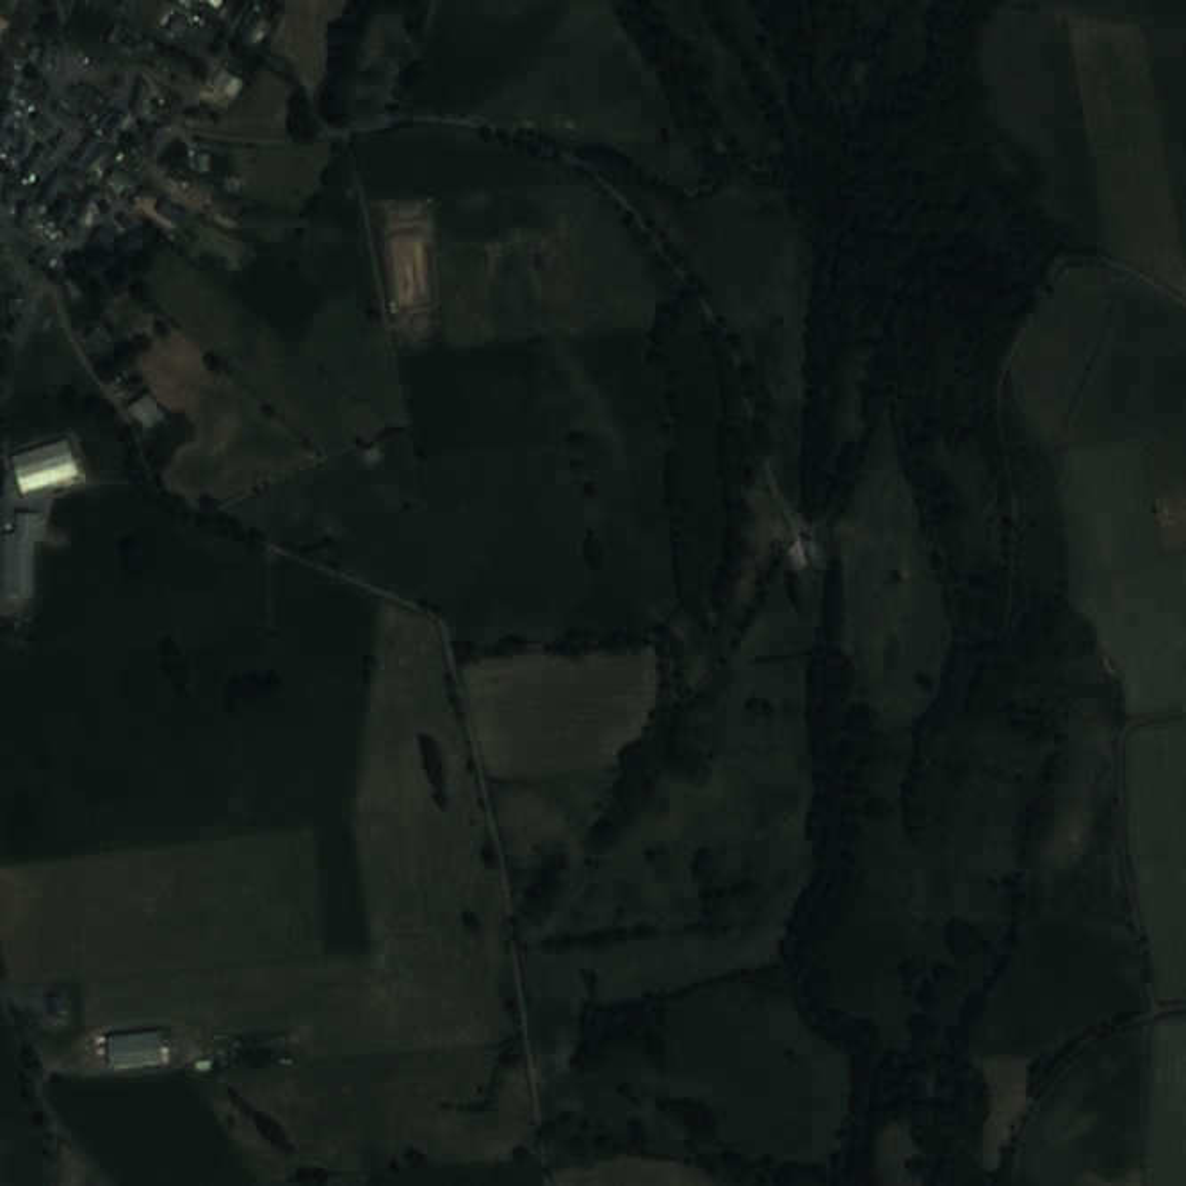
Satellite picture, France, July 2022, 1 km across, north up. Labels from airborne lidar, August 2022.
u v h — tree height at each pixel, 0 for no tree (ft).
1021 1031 0
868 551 0
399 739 0
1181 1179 0
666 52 57
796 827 0
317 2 0
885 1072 55
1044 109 0
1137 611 0
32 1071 60
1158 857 0
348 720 0
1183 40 0
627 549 0
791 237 0
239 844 0
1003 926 0
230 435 0
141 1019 0
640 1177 0
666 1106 34
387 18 0
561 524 0
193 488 0
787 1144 0
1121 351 0
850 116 32
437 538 0
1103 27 0
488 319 0
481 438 0
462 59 0
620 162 64
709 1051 0
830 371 27
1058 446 0
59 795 0
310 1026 0
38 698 0
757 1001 0
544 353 0
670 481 45
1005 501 19
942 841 0
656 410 0
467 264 0
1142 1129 0
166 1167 0
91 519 0
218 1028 0
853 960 0
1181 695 0
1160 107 0
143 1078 0
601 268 0
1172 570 0
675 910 0
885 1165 0
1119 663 0
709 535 0
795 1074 0
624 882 0
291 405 0
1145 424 0
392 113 41
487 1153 0
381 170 0
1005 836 0
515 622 0
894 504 0
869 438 30
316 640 0
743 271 0
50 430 0
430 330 0
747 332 0
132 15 0
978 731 0
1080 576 0
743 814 0
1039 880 0
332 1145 0
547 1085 0
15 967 0
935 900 0
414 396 0
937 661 0
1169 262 0
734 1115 0
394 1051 0
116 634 0
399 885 0
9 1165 0
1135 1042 0
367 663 35
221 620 0
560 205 0
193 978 0
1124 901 0
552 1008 0
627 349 0
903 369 28
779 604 0
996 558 0
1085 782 0
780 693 0
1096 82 0
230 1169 0
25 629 0
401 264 0
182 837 0
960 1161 40
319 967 0
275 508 0
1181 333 0
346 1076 0
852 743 43
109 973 0
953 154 22
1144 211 0
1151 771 0
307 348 0
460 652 33
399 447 0
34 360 0
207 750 0
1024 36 0
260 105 0
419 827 0
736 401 67
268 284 0
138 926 0
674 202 34
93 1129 0
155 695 0
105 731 0
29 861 0
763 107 49
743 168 31
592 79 0
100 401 37
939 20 65
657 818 0
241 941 0
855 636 0
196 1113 0
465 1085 0
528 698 0
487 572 0
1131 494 0
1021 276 20
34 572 0
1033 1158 0
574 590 0
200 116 21
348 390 0
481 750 0
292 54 0
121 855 0
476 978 0
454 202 0
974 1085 20
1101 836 0
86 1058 0
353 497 0
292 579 0
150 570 0
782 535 0
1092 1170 0
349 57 61
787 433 0
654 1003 42
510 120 0
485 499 0
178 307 0
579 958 0
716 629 24
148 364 0
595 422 0
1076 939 0
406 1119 0
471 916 45
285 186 0
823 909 71
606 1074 0
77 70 0
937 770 36
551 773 0
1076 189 0
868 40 27
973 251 47
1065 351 0
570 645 37
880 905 0
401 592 0
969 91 18
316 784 0
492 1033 0
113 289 49
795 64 74
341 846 0
